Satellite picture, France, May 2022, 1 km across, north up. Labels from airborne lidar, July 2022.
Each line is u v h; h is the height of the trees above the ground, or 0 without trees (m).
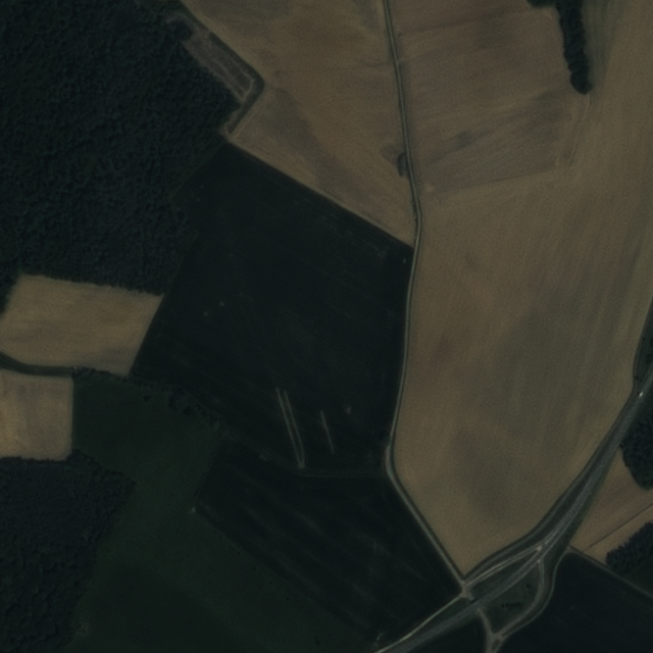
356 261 0
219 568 0
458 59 0
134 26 28
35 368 0
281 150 0
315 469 0
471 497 0
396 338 0
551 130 0
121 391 0
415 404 0
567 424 0
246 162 0
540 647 0
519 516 0
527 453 0
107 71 26
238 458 0
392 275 0
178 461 0
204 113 24
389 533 0
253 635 0
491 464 0
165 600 0
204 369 0
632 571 17
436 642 0
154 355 0
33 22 23
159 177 27
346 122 0
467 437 0
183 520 0
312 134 0
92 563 21
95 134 28
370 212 0
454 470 0
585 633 0
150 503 0
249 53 0
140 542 0
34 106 25
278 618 0
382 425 0
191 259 0
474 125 0
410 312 0
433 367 0
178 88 27
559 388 0
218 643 0
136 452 0
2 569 30
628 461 13
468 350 0
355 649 0
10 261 6
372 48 0
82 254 26
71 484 18
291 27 0
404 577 0
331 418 0
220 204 0
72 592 26
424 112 0
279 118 0
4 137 17
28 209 19
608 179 0
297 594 0
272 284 0
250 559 0
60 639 23
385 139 0
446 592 0
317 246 0
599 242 0
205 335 0
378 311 0
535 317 0
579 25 16
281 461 0
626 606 0
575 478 0
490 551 0
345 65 0
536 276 0
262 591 0
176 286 0
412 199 0
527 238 0
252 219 0
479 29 0
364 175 0
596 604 0
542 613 0
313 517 0
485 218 0
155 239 29
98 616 0
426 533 0
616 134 0
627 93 0
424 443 0
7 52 27
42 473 21
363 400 0
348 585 0
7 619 25
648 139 0
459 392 0
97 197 31
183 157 28
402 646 0
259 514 0
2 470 17
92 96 24
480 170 0
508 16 0
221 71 0
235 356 0
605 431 0
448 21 0
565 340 0
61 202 27
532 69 0
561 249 0
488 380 0
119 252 28
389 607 0
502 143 0
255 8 0
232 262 0
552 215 0
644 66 0
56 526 17
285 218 0
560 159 0
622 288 0
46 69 18
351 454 0
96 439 0
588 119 0
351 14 0
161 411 0
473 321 0
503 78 0
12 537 20
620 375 0
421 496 0
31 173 14
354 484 0
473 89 0
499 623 0
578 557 0
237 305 0
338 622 0
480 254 0
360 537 0
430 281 0
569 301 0
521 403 0
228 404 0
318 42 0
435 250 0
